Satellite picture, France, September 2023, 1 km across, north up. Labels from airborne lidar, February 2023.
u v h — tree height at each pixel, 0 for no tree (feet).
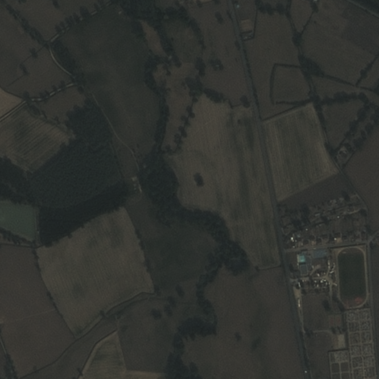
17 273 0
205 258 0
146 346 0
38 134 0
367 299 0
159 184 83
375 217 0
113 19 0
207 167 0
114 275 0
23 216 0
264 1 0
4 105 0
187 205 0
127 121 0
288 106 0
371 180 0
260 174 0
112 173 29
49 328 0
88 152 49
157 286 0
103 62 0
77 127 45
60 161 49
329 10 0
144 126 0
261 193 0
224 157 0
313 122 0
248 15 0
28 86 0
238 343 0
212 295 0
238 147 0
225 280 0
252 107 0
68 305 0
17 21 0
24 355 0
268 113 0
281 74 0
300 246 0
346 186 0
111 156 38
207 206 0
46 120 0
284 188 0
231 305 0
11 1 0
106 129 48
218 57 0
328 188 0
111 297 0
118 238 0
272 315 0
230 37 0
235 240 0
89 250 0
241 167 0
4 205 0
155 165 69
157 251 0
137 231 49
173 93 0
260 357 0
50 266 0
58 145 0
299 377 0
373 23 0
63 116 0
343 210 0
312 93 41
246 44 0
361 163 0
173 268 0
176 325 0
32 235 0
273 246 0
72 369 0
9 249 0
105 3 52
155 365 0
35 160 0
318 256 0
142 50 0
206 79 0
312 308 0
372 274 0
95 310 0
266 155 0
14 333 0
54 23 0
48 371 0
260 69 0
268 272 0
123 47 0
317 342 0
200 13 0
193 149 0
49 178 43
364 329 0
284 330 0
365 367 0
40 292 0
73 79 52
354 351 0
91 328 0
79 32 0
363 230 0
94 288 0
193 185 0
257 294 0
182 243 0
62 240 0
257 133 0
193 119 0
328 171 0
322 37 0
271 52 0
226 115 0
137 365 0
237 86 0
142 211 0
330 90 0
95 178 42
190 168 0
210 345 0
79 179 50
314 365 0
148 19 97
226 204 0
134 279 0
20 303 0
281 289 0
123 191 53
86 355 0
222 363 0
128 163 0
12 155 0
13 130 0
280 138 0
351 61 0
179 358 40
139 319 0
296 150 0
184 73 0
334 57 0
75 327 0
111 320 0
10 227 0
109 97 0
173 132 0
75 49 0
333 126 0
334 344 0
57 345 0
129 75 0
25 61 0
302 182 0
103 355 0
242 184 0
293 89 0
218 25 0
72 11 0
